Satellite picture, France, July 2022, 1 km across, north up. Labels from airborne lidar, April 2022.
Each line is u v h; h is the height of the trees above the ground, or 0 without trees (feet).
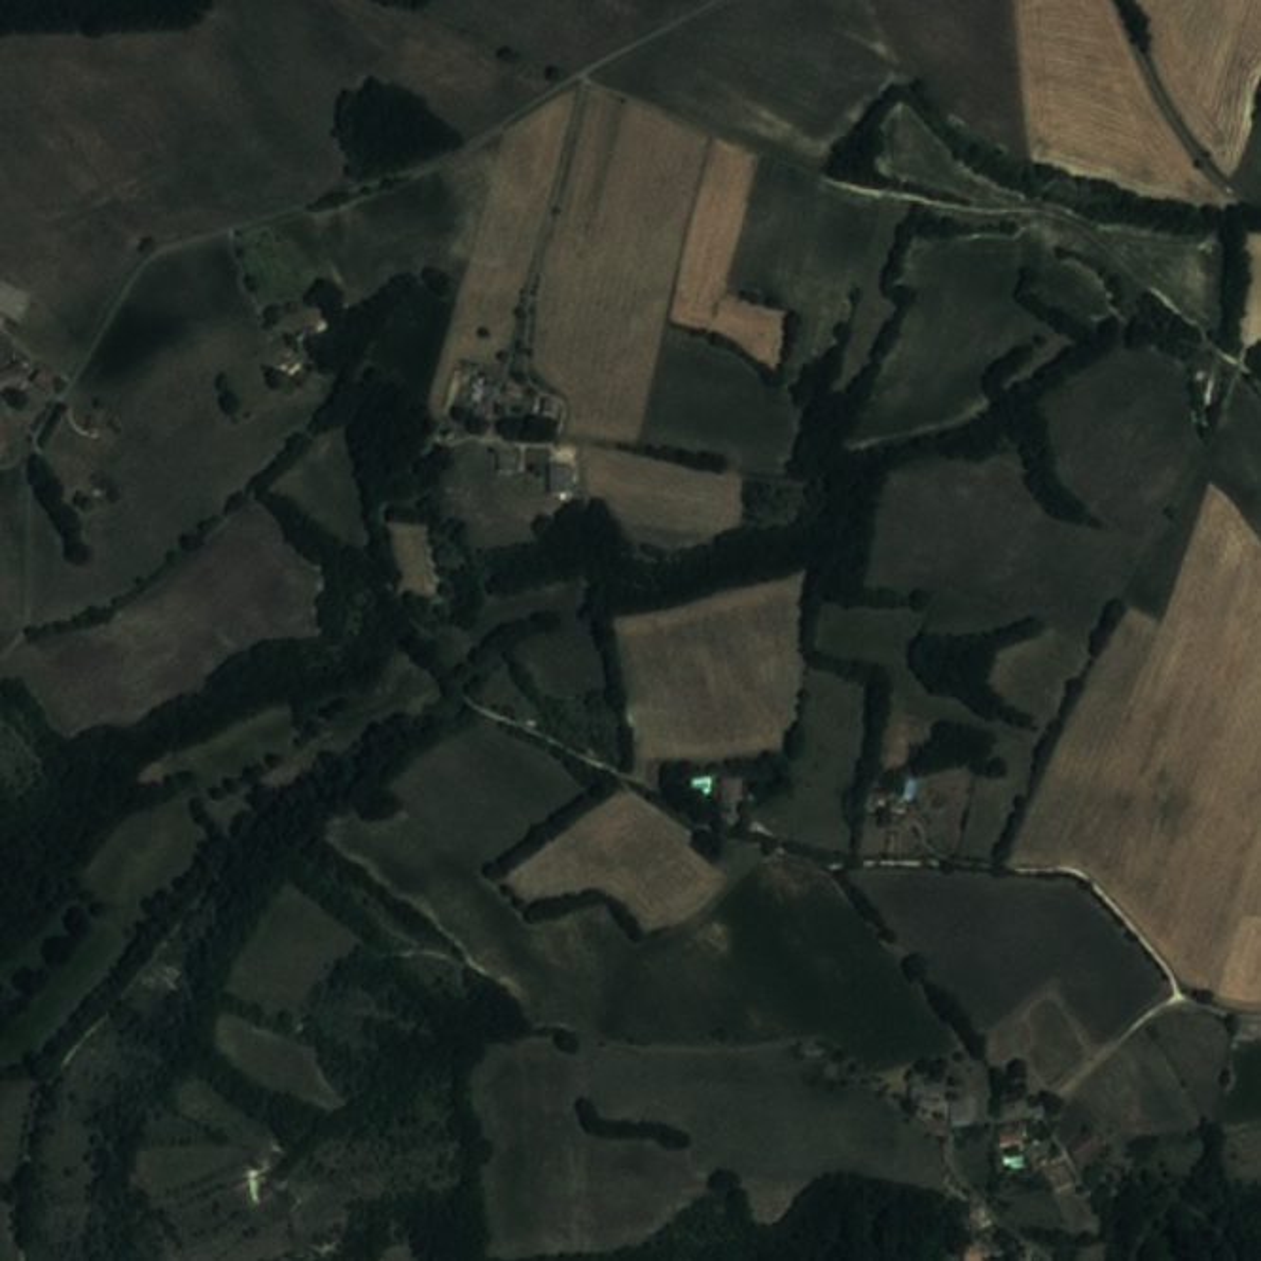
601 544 43
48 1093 36
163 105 0
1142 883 0
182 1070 39
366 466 58
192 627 0
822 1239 54
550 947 0
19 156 0
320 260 0
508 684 0
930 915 0
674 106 0
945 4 0
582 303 0
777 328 0
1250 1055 0
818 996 0
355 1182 0
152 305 0
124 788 63
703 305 0
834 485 45
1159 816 0
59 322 0
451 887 0
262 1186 0
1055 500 46
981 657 46
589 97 0
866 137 29
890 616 0
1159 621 0
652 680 0
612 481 0
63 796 47
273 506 34
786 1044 0
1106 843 0
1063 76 0
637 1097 0
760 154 0
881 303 0
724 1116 0
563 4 0
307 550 33
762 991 0
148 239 22
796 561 59
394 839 0
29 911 62
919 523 0
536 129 0
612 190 0
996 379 38
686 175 0
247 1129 0
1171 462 0
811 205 0
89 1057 0
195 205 0
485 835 0
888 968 0
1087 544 0
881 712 51
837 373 34
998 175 32
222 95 0
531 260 0
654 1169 0
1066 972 0
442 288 29
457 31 0
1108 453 0
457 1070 33
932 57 0
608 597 34
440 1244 51
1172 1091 0
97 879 0
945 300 0
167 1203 0
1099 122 0
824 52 0
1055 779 0
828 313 0
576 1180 0
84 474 0
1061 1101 32
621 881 0
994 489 0
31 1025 0
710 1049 0
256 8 0
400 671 0
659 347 0
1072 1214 0
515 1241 0
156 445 0
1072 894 0
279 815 49
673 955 0
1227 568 0
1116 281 30
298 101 0
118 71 0
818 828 0
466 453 0
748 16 0
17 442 0
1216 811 0
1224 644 0
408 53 0
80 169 0
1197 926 0
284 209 0
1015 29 0
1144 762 0
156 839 0
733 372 0
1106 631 36
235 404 37
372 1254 43
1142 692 0
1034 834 0
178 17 50
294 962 0
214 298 0
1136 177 0
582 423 0
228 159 0
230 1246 0
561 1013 0
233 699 36
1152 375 0
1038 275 34
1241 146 0
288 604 0
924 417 0
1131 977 0
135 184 0
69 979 0
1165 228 39
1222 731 0
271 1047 0
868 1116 0
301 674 28
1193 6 0
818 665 35
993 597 0
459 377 0
